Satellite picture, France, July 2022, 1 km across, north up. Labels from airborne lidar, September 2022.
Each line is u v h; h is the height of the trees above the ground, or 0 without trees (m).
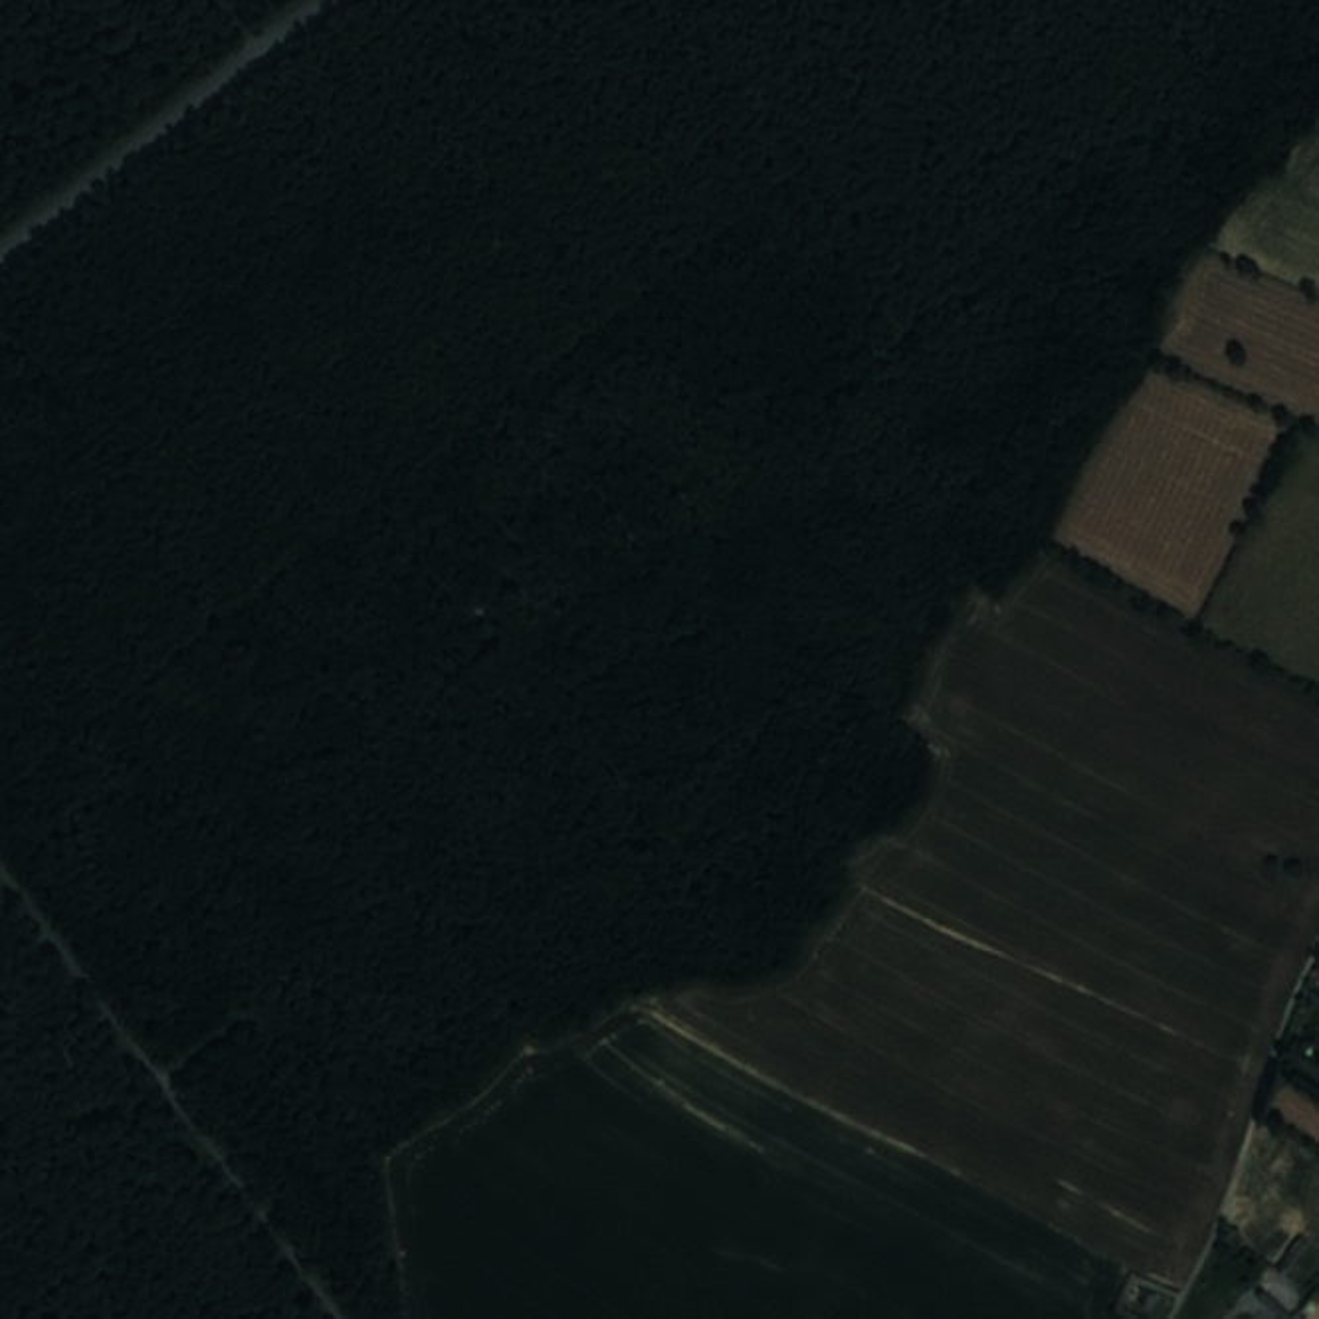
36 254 20
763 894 19
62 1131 19
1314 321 0
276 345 20
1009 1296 0
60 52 29
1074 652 0
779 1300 0
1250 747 0
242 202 22
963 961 0
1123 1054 0
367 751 21
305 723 16
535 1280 0
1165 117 16
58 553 20
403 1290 14
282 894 15
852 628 20
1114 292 22
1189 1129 0
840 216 25
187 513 18
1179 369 16
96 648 20
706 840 18
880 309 19
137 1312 25
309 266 22
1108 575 17
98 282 23
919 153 20
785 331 17
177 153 23
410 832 15
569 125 21
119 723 19
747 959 21
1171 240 23
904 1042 0
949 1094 0
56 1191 22
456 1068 25
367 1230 19
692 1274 0
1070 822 0
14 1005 21
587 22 22
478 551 18
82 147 24
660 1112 0
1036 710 0
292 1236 19
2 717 20
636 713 17
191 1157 22
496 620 14
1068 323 20
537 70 22
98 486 20
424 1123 16
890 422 24
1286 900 0
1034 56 21
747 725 21
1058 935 0
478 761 23
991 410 19
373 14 23
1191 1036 0
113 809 17
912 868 0
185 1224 22
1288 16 21
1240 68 22
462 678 17
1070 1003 0
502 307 21
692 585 17
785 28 22
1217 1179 0
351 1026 22
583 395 24
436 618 18
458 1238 0
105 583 22
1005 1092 0
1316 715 0
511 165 20
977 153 24
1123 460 0
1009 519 14
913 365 24
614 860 18
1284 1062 10
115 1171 23
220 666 16
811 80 23
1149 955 0
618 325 17
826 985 0
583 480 21
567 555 18
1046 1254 0
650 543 18
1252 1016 0
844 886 15
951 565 22
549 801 18
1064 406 25
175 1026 17
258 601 16
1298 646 0
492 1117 0
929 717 0
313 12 0
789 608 18
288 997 20
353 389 22
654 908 19
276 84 22
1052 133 23
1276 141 19
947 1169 0
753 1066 0
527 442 20
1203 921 0
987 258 27
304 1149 21
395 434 21
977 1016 0
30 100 26
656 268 19
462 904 21
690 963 16
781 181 16
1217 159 19
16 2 30
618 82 21
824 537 19
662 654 16
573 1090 0
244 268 22
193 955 16
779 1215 0
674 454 20
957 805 0
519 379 21
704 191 23
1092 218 17
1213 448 0
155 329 18
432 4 22
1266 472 9
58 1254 21
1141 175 23
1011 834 0
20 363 19
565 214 22
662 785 20
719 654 20
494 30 23
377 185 21
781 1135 0
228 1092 20
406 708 22
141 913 18
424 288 23
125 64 27
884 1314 0
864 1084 0
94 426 20
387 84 22
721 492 24
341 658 17
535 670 17
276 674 17
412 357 21
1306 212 0
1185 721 0
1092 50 20
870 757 18
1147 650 0
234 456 19
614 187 22
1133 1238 0
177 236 22
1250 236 0
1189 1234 0
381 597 17
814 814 20
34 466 21
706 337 17
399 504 22
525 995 21
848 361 21
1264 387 0
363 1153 19
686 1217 0
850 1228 0
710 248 16
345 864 18
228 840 20
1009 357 21
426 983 22
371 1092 27
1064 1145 0
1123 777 0
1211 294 0
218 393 22
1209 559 0
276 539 18
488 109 21
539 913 19
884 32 23
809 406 17
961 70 25
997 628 0
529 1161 0
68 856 23
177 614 19
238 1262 24
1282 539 0
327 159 21
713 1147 0
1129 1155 0
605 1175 0
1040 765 0
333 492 21
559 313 22
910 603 26
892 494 21
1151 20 25
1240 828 0
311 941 18
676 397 21
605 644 17
